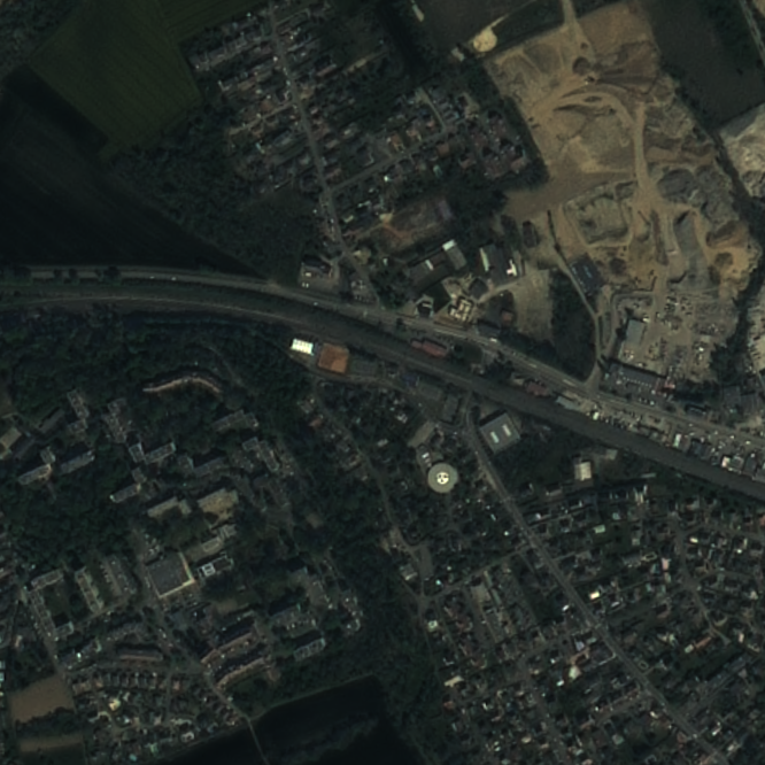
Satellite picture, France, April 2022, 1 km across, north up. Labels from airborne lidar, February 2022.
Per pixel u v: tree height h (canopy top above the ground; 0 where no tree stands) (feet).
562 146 0
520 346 63
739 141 0
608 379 0
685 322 0
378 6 0
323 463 74
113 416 0
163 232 0
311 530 0
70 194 0
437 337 0
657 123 0
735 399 0
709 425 0
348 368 0
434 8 0
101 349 87
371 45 0
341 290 0
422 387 0
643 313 0
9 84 0
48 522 81
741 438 0
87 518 89
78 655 0
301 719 0
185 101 0
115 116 0
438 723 0
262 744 0
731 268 0
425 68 0
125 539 57
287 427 63
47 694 0
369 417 21
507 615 0
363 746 0
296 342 0
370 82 18
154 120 0
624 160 0
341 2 0
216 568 0
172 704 19
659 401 0
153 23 0
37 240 0
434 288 0
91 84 0
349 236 21
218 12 0
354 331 0
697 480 28
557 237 0
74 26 0
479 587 0
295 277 0
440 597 0
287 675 21
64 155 0
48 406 73
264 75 0
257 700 42
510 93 0
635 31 0
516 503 0
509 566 0
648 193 0
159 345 98
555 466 0
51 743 0
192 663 0
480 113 0
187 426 93
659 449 0
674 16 0
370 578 88
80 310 0
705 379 0
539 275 0
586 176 0
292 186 0
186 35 0
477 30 0
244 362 74
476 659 0
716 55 0
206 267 55
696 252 0
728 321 0
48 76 0
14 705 0
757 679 35
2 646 0
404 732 41
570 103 0
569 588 0
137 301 0
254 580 46
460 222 65
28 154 0
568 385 0
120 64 0
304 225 57
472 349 0
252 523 63
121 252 0
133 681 0
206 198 26
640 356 0
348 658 78
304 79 0
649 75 0
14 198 0
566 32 0
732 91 0
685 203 0
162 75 0
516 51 0
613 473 0
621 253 0
